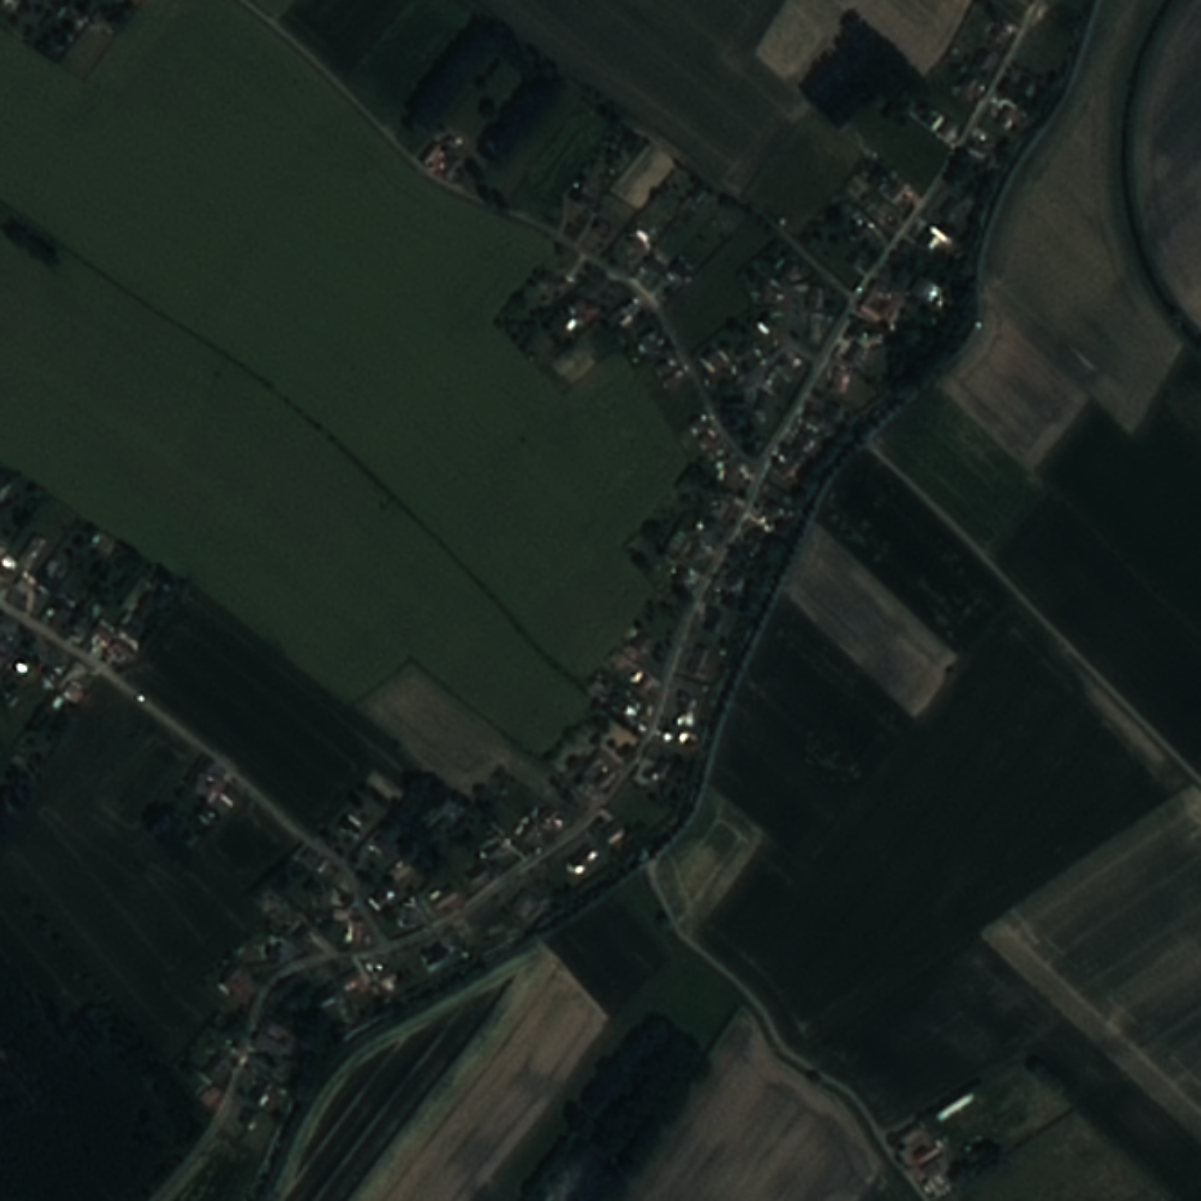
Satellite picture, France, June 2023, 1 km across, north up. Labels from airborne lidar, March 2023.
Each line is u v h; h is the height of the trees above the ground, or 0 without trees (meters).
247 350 0
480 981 0
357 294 0
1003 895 0
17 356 0
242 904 0
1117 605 0
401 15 0
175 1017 0
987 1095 0
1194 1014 0
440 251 0
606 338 0
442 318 0
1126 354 0
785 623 0
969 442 0
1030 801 0
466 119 0
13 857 0
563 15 0
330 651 0
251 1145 0
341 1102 0
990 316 0
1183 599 0
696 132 0
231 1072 0
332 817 0
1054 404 0
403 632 0
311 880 8
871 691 0
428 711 0
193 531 0
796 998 0
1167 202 0
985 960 0
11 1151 40
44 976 0
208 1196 0
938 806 0
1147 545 0
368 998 0
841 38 0
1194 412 0
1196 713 0
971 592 0
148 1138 33
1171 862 0
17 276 0
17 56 0
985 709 0
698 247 0
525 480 0
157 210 0
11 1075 35
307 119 0
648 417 0
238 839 0
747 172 0
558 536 0
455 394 0
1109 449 0
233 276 0
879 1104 0
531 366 0
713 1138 0
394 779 0
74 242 0
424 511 0
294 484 0
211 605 0
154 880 0
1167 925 0
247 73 0
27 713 0
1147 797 0
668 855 0
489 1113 0
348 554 0
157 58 0
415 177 0
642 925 0
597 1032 0
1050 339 0
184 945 0
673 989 0
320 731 0
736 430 9
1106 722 0
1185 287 0
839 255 0
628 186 0
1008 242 0
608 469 0
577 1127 23
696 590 0
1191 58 0
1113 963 0
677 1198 0
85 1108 40
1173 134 0
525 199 0
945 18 0
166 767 0
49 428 0
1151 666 0
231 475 0
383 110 0
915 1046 0
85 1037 38
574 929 0
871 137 0
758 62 0
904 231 0
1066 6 0
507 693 0
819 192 0
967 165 12
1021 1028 0
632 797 0
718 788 0
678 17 0
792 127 0
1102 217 0
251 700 0
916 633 0
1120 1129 0
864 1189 0
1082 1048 0
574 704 0
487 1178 0
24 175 0
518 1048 0
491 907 0
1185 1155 0
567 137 0
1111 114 0
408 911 0
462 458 0
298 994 16
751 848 0
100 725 0
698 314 0
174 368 0
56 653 0
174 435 0
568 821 0
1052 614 0
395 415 0
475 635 0
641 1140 29
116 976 0
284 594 0
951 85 0
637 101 0
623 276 0
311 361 0
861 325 9
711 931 0
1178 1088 0
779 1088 0
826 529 0
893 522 0
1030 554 0
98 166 0
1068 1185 0
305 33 0
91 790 0
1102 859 0
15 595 0
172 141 0
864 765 0
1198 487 0
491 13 0
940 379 0
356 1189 0
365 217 0
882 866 0
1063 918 0
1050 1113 0
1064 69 0
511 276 0
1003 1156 15
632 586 0
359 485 0
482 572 0
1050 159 0
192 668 0
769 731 0
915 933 0
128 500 0
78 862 0
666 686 0
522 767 0
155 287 0
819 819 0
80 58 0
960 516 0
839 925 0
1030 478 0
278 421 0
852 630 0
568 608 0
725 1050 0
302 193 0
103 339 0
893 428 0
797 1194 0
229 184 0
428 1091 0
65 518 0
